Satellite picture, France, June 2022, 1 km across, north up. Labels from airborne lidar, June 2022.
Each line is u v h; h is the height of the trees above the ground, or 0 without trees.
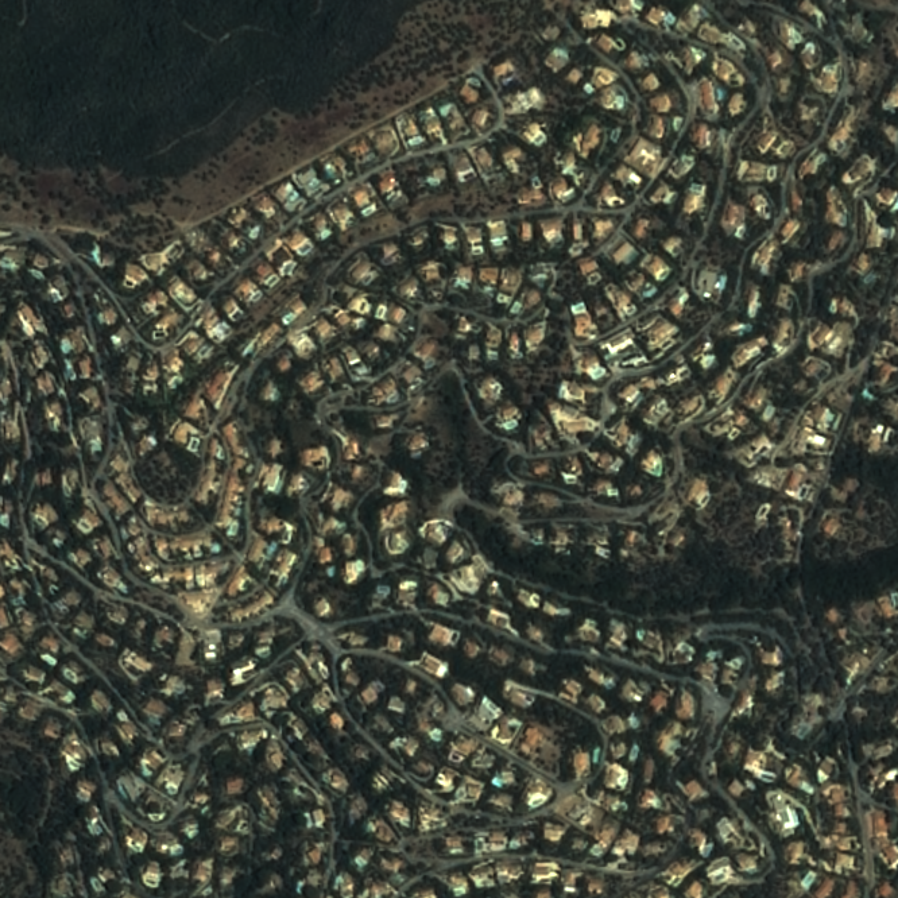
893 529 7
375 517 8
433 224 8
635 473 7
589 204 7
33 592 6
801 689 10
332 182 8
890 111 8
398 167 7
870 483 12
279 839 14
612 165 9
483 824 8
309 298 11
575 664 6
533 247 5
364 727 7
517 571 8
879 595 7
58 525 7
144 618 7
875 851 0
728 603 10
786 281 8
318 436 7
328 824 8
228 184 0
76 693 8
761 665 6
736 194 9
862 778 7
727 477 10
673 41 8
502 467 8
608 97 0
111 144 8
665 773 10
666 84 7
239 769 6
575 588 10
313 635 0
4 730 8
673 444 9
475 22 0
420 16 5
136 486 6
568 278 6
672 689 7
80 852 7
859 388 9
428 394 6
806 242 7
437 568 6
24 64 10
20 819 10
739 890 8
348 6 6
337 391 11
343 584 8
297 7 10
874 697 9
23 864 7
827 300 16
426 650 7
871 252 6
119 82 7
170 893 13
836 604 11
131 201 8
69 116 9
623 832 5
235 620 0
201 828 6
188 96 9
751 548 11
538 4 6
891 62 14
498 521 8
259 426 9
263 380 8
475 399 6
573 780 7
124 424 8
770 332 11
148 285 5
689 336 6
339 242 7
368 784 10
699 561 7
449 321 7
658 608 5
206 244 0
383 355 8
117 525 6
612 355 0
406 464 11
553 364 7
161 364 7
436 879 7
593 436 14
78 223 0
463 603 6
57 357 10
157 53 11
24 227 0
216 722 8
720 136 0
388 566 7
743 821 8
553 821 7
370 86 8
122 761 8
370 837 9
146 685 8
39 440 6
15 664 8
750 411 6
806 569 8
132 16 8
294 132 0
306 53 8
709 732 6
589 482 6
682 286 8
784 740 13
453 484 13
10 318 12
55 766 7
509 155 0
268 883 11
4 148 8
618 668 8
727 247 7
